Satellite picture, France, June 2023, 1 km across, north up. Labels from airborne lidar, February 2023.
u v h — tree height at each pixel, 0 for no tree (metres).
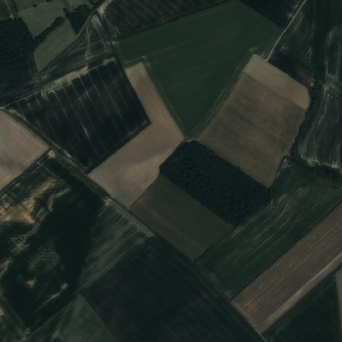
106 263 0
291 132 0
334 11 0
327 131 0
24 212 0
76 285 0
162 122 0
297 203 0
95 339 0
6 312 0
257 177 0
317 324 0
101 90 0
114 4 0
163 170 20
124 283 0
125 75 0
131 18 0
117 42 0
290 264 0
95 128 0
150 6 0
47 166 0
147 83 0
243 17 0
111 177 0
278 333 0
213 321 0
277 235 0
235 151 0
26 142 0
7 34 33
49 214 0
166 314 0
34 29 0
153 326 0
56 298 0
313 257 0
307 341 0
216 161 23
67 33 0
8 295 0
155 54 0
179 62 0
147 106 0
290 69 0
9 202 0
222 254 0
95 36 0
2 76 0
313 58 0
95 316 0
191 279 0
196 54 0
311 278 0
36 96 0
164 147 0
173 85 0
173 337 0
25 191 0
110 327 0
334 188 0
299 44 0
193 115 0
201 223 0
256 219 0
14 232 0
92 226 0
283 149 0
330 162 0
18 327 0
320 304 0
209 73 0
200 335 0
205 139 0
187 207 0
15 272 0
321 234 0
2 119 0
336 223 0
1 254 0
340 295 0
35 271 0
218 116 0
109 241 0
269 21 0
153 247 0
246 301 0
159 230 0
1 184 0
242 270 0
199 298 0
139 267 0
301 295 0
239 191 29
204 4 0
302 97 0
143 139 0
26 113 0
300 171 0
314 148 0
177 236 0
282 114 0
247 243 0
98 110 0
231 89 0
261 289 0
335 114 0
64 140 0
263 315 0
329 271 0
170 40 0
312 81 0
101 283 0
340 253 0
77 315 0
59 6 0
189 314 0
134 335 0
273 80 0
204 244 0
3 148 0
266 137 0
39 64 0
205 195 25
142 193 0
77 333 0
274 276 0
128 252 0
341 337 0
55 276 0
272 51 0
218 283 0
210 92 0
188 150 25
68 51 0
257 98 0
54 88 0
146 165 0
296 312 0
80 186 0
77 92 0
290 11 0
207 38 0
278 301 0
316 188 0
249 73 0
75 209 0
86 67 0
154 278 0
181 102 0
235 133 0
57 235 0
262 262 0
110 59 0
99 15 0
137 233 0
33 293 0
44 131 0
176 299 0
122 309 0
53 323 0
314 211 0
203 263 0
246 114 0
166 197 0
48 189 0
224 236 0
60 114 0
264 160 0
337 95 0
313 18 0
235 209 25
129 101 0
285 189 0
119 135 0
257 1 0
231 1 0
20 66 0
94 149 0
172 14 0
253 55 0
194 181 28
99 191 0
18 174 0
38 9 0
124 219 0
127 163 0
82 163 0
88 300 0
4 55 28
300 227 0
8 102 0
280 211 0
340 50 0
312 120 0
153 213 0
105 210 0
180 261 0
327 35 0
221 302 0
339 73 0
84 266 0
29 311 0
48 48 0
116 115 0
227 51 0
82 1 0
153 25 0
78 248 0
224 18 0
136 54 0
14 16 0
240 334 0
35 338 0
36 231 0
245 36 0
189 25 0
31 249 0
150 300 0
